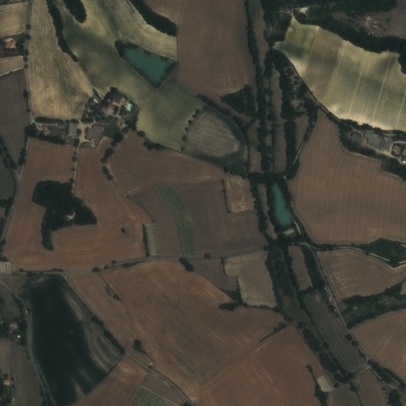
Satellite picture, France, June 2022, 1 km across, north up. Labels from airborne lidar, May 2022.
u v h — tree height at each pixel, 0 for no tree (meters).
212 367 0
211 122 0
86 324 0
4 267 0
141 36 0
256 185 13
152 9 0
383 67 0
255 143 0
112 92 13
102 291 0
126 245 0
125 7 0
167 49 0
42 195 16
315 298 0
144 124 0
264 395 0
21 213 0
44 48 0
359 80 0
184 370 0
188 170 0
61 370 0
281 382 0
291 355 0
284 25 12
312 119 9
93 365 0
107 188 0
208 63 0
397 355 0
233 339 0
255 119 17
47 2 9
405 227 0
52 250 8
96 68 0
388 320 0
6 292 0
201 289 0
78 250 0
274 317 0
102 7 0
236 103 14
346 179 0
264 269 0
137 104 0
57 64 0
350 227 0
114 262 9
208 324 0
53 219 11
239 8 0
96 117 6
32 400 0
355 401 0
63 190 18
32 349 0
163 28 12
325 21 7
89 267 0
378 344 0
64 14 0
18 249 0
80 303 0
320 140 0
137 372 0
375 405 0
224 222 0
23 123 0
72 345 0
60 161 0
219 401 0
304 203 0
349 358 0
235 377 0
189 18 0
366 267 0
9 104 0
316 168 0
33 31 0
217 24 0
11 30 0
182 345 0
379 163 0
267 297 0
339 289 0
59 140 11
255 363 0
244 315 0
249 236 0
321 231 0
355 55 0
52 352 0
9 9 0
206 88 0
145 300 0
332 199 0
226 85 0
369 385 0
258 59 12
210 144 0
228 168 12
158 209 0
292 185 0
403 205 0
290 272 14
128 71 0
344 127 10
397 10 0
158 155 0
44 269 0
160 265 0
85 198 0
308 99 10
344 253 0
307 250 11
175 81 0
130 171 0
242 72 0
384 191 0
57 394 0
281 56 15
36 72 0
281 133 0
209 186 0
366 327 0
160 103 0
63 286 0
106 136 0
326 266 0
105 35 0
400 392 0
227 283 0
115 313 0
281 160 0
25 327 15
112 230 0
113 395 0
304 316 0
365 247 10
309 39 0
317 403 0
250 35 19
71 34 0
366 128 14
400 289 7
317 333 0
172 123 0
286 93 15
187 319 0
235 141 0
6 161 10
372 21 0
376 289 0
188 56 0
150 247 0
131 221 0
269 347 0
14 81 0
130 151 0
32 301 0
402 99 0
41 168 0
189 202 0
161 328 0
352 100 0
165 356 0
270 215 11
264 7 15
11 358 0
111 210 0
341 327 0
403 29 0
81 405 0
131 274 0
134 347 6
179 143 0
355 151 7
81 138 0
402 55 19
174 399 0
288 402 0
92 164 0
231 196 0
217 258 0
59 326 0
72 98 0
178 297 0
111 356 0
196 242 0
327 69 0
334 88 0
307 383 0
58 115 0
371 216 0
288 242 14
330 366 30
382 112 0
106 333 10
